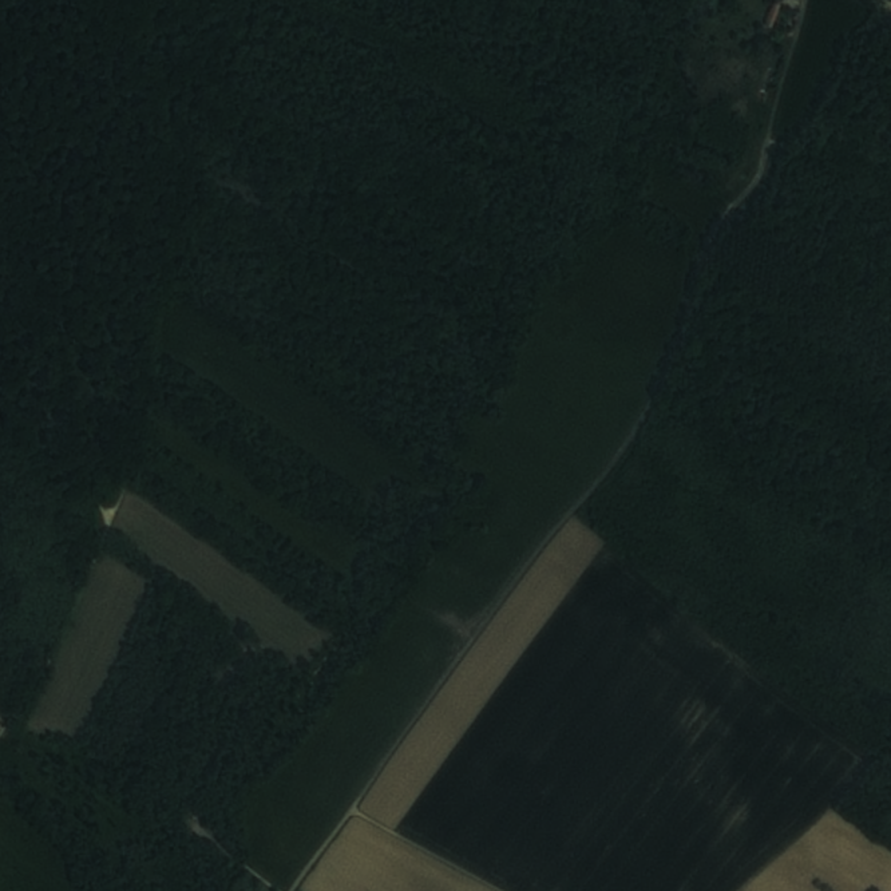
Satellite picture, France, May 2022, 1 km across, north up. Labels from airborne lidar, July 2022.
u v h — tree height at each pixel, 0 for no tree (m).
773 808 0
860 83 29
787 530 19
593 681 0
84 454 30
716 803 0
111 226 33
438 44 11
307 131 22
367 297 31
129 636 13
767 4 7
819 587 13
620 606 0
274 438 22
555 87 20
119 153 29
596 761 0
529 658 0
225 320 25
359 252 33
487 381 20
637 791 0
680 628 0
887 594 22
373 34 8
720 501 16
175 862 14
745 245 33
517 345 17
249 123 25
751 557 8
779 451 26
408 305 20
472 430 0
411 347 27
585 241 18
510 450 0
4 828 0
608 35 21
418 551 24
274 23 11
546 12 25
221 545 23
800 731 0
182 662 23
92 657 0
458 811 0
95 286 29
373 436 24
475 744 0
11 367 31
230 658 28
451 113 28
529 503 0
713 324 30
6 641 27
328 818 0
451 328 27
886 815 32
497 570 0
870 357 22
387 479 0
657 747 0
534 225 27
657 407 20
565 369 0
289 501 31
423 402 29
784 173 24
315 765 0
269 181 29
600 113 26
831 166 15
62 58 29
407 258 28
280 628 0
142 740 22
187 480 12
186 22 27
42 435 24
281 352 18
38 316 27
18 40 27
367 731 0
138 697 22
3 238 30
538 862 0
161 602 27
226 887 16
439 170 29
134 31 28
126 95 28
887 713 27
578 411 0
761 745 0
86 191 32
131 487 23
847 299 20
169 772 31
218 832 15
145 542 0
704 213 0
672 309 0
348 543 0
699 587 7
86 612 0
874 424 31
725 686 0
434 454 17
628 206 15
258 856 0
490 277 30
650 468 6
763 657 15
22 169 31
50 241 28
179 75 31
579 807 0
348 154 32
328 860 0
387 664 0
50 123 29
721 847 0
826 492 24
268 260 29
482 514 0
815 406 30
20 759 0
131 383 29
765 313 22
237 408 21
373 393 9
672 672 0
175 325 0
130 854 17
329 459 0
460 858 0
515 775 0
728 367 29
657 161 26
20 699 23
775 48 6
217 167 28
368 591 22
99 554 20
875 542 23
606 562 0
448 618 0
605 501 6
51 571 25
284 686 23
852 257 27
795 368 32
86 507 20
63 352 29
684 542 7
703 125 6
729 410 27
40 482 23
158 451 17
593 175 24
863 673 11
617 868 0
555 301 0
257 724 7
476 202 33
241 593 0
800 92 0
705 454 18
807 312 23
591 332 0
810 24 0
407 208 27
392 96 15
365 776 0
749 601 9
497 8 30
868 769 20
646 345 0
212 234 28
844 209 28
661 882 0
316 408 0
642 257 0
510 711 0
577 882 0
